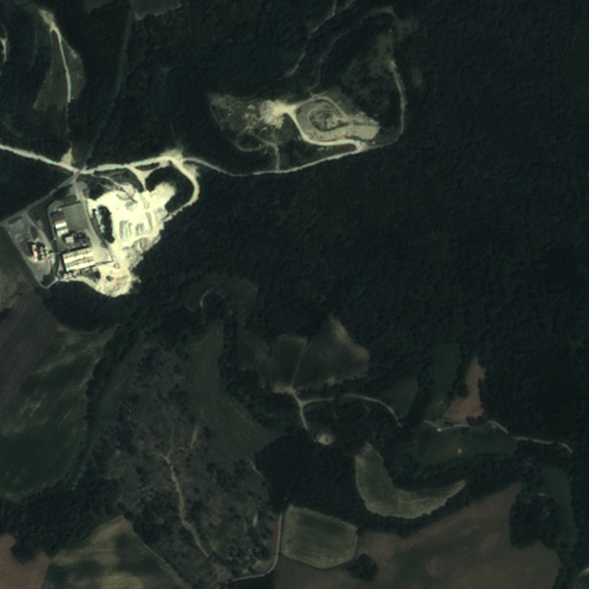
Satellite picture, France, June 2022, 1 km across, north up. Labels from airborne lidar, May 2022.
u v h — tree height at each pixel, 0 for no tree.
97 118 14
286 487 15
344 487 23
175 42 12
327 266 20
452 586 0
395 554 0
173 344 18
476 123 28
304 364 0
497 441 0
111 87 13
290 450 23
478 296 18
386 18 9
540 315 24
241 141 12
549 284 17
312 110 0
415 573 0
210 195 14
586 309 22
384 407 7
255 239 25
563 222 18
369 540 0
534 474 22
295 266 19
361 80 11
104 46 14
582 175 20
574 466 10
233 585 20
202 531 18
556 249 12
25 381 0
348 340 0
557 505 10
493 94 16
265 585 8
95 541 0
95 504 20
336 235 20
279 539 0
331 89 0
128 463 0
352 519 14
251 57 13
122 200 0
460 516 0
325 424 8
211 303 13
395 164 19
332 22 12
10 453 0
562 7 19
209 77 14
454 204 18
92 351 0
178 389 11
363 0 11
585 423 25
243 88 17
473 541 0
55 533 13
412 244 14
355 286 24
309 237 21
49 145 12
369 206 23
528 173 18
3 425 0
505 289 30
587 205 18
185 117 15
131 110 28
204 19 15
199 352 0
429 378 22
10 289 0
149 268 20
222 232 23
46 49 7
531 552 0
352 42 17
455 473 13
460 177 19
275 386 0
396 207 21
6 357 0
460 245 19
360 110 8
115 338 7
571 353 15
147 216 0
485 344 23
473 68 12
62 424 0
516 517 14
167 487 0
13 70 15
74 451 0
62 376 0
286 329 22
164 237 17
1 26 9
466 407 0
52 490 12
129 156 23
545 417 19
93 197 16
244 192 18
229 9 20
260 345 0
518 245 25
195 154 11
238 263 16
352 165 19
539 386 12
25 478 0
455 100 22
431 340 9
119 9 12
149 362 17
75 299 13
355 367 0
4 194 16
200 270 17
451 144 25
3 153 11
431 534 0
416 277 18
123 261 0
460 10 7
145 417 0
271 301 17
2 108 7
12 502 7
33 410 0
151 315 15
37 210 0
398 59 8
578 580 0
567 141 19
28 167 17
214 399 0
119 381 0
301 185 17
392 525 12
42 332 0
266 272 13
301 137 0
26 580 0
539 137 16
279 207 19
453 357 0
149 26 22
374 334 9
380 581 0
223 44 17
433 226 14
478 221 13
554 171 27
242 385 30
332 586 0
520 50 18
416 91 7
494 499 0
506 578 0
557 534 14
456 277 13
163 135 19
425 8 8
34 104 0
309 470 18
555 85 16
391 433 21
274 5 23
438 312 6
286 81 7
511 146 26
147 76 11
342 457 8
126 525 0
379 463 0
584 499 18
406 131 9
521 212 22
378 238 19
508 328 27
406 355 21
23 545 15
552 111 17
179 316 21
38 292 11
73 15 10
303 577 0
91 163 17
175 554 14
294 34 15
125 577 0
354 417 11
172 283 16
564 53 15
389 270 20
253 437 0
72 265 0
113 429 17
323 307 9
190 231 29
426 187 22
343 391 20
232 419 0
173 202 16
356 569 18
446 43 17
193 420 19
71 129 14
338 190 22
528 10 14
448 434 0
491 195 21
